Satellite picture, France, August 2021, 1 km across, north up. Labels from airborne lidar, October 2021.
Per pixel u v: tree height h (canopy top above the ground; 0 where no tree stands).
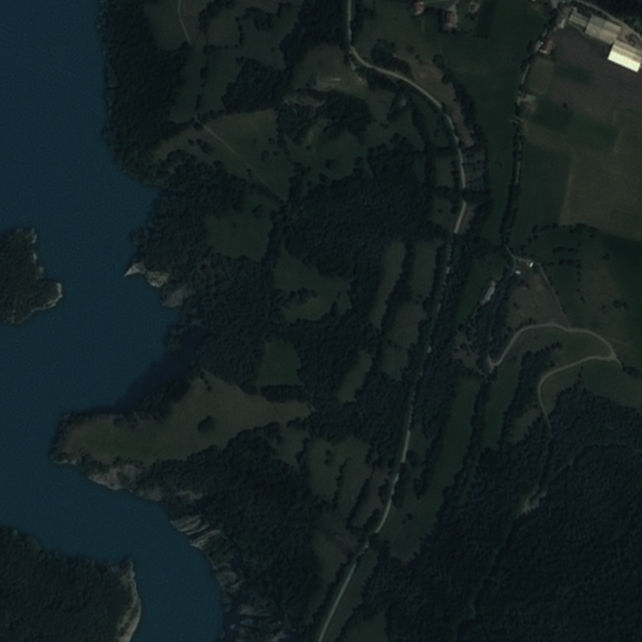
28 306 12
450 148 11
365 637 0
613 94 0
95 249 0
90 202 0
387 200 16
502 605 19
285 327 14
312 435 8
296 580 21
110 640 11
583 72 0
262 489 21
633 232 0
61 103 0
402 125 0
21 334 0
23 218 0
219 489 14
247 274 16
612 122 0
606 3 16
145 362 0
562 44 0
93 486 0
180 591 0
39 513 0
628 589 20
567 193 0
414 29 0
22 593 17
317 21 20
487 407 8
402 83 11
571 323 0
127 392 0
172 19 0
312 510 9
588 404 14
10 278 10
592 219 0
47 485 0
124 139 9
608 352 0
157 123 16
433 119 0
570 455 12
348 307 0
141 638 0
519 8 0
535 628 16
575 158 0
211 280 11
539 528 18
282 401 11
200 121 8
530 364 13
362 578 0
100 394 0
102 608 12
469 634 20
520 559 25
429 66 0
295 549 15
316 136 0
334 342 13
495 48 0
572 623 15
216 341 16
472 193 15
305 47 20
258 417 0
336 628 0
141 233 9
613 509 19
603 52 0
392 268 0
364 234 12
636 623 15
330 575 0
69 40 0
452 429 0
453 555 21
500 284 10
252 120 0
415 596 15
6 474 0
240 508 16
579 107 0
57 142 0
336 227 19
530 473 12
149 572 0
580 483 15
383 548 9
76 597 16
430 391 12
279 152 10
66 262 0
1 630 17
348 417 9
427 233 17
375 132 0
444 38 0
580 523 17
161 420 14
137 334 0
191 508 14
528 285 8
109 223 0
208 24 9
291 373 0
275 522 16
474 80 0
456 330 10
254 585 14
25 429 0
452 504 12
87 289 0
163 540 0
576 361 0
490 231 0
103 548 0
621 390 0
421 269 0
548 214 0
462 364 12
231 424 0
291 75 8
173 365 6
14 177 0
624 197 0
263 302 18
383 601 16
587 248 0
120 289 0
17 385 0
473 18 7
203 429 13
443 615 9
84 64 0
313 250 19
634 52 0
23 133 0
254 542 17
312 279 0
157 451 0
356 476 0
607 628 24
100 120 0
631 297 0
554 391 0
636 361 0
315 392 10
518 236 0
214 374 8
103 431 0
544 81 0
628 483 17
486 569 21
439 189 11
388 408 12
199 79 0
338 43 11
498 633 18
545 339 0
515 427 8
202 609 0
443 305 9
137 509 0
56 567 24
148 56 15
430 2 0
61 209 0
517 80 0
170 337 12
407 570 17
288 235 21
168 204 15
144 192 0
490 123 0
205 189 21
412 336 0
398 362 0
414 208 17
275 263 8
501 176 0
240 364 17
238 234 0
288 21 0
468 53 0
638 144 0
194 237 17
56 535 0
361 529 10
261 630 8
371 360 0
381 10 0
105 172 0
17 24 0
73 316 0
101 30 8
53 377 0
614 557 23
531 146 0
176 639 0
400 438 8
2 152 0
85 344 0
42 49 0
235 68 0
